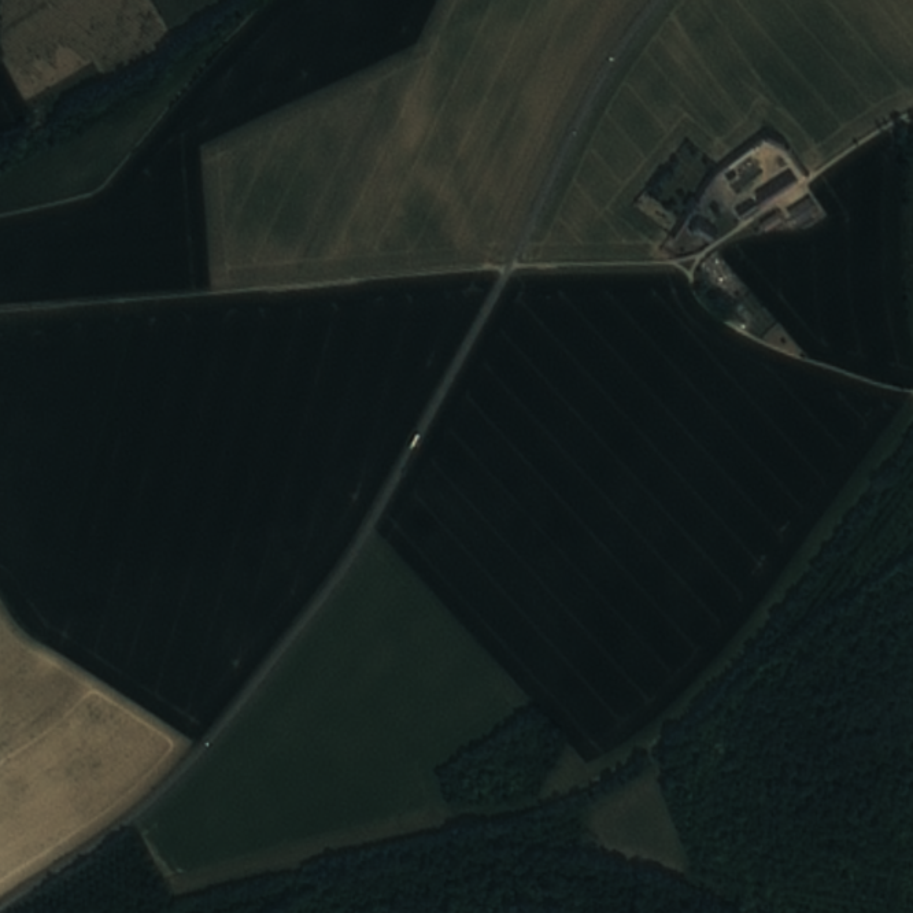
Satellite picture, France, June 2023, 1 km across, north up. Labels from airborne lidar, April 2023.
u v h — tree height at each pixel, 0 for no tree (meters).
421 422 0
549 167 0
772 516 0
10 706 0
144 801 0
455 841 22
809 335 0
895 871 13
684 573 0
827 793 23
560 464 0
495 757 10
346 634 0
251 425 0
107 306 0
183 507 0
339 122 0
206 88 0
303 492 0
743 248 0
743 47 0
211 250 0
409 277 0
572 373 0
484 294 0
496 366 0
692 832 7
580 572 0
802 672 17
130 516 0
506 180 0
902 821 19
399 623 0
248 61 0
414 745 0
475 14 0
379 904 16
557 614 0
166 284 0
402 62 0
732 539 0
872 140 0
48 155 0
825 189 0
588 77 0
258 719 0
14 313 0
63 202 0
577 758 0
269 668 0
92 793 0
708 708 17
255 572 0
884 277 0
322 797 0
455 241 0
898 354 0
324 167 0
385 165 0
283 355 0
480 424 0
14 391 0
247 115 0
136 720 0
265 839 0
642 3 0
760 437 0
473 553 0
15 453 0
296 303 0
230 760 0
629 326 0
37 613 0
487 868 23
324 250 0
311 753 0
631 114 0
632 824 0
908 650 17
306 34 0
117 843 11
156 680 0
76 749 0
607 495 0
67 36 0
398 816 0
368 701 0
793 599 14
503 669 0
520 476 0
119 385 0
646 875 22
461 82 0
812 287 0
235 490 0
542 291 0
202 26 21
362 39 0
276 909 18
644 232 0
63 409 0
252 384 0
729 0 0
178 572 0
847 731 19
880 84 0
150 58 17
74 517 0
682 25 0
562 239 0
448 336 0
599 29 0
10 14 0
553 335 0
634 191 0
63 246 0
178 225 0
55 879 9
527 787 14
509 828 13
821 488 0
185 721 0
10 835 0
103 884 13
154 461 0
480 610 0
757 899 15
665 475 0
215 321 0
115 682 0
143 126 0
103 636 0
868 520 6
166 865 0
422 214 0
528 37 0
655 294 0
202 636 0
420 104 0
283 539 0
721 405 0
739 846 14
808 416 0
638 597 0
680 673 0
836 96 0
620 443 0
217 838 0
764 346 0
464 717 0
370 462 0
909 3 0
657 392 0
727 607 0
